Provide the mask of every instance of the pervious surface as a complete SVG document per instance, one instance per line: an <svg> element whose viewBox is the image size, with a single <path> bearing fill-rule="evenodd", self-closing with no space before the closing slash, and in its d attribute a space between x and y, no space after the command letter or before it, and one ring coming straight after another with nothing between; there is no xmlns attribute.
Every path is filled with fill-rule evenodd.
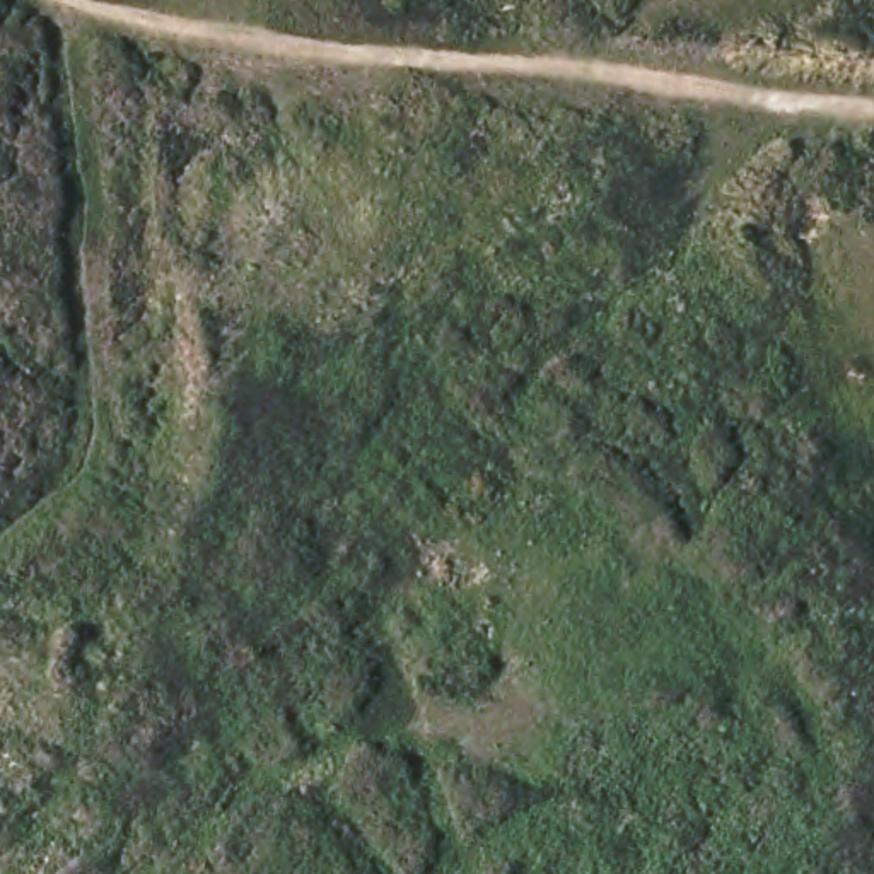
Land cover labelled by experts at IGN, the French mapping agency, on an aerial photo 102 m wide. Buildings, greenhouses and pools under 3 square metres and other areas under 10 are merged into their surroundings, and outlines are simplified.
<svg viewBox="0 0 874 874"><path fill-rule="evenodd" d="M130 34L140 31L215 44L283 55L290 61L587 79L656 96L826 116L874 116L874 102L867 96L772 92L703 75L659 72L597 58L341 44L277 34L246 24L188 20L106 0L41 0L44 3L89 17L119 24Z"/></svg>

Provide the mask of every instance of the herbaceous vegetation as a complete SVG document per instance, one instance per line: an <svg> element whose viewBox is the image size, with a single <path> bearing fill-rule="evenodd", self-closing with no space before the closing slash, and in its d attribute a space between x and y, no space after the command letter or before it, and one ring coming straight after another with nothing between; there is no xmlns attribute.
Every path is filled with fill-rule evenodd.
<svg viewBox="0 0 874 874"><path fill-rule="evenodd" d="M632 471L604 457L601 451L584 451L584 444L574 437L570 413L560 403L567 393L580 399L591 382L574 376L574 369L560 355L550 355L536 376L529 376L522 399L516 403L509 457L519 478L498 498L498 512L485 522L471 522L471 529L457 543L434 543L423 533L413 533L413 546L423 560L413 570L417 584L399 587L396 601L382 611L386 638L396 652L396 666L417 710L417 717L410 720L413 734L454 737L461 751L468 751L471 758L512 772L529 785L539 785L560 768L570 741L584 734L587 717L604 717L608 710L618 710L618 693L638 686L656 690L659 679L673 679L679 669L690 669L693 662L717 673L737 673L734 703L744 703L751 727L768 727L782 714L830 693L833 679L823 679L809 666L809 632L792 615L792 580L802 574L799 560L785 563L778 574L765 580L744 580L748 567L737 563L744 529L751 526L761 539L768 539L772 526L785 512L775 509L765 495L758 498L755 492L727 485L724 495L707 509L707 516L693 526L693 539L679 539L662 502L642 488L642 481Z"/></svg>
<svg viewBox="0 0 874 874"><path fill-rule="evenodd" d="M79 857L68 857L61 847L51 843L48 850L34 854L27 874L75 874Z"/></svg>
<svg viewBox="0 0 874 874"><path fill-rule="evenodd" d="M150 843L147 836L147 826L133 819L133 840L123 850L116 874L239 874L229 864L222 843L201 847L195 854L184 850L178 840L167 840L164 850L157 850L157 843Z"/></svg>
<svg viewBox="0 0 874 874"><path fill-rule="evenodd" d="M816 300L836 307L840 318L850 321L854 335L867 338L874 331L874 143L867 150L857 150L850 137L833 140L826 116L656 96L587 79L290 61L283 68L263 72L259 82L249 82L225 68L215 44L140 31L130 34L119 24L89 17L65 48L61 31L55 24L41 31L48 48L48 99L41 116L51 123L55 178L61 191L55 215L55 253L61 266L58 300L65 311L68 358L75 365L89 362L89 389L102 389L106 379L123 369L123 358L113 352L113 345L123 341L123 335L130 335L130 328L147 318L147 307L160 314L160 297L174 297L174 355L160 365L157 376L157 396L164 396L174 410L154 430L147 457L150 475L171 475L181 485L205 485L212 451L222 440L222 420L232 417L236 427L259 423L290 393L270 376L270 369L256 369L253 348L242 345L246 321L253 321L256 314L280 311L294 314L300 324L311 324L321 335L331 335L341 324L352 331L372 324L379 311L399 311L420 321L423 304L437 297L440 277L454 263L454 249L481 253L492 280L505 294L529 297L533 311L597 300L604 307L601 314L625 324L628 307L642 311L645 318L652 318L659 304L683 311L686 290L710 287L724 297L727 318L734 324L755 324L758 348L772 345L775 335L785 331L789 314L813 314ZM232 195L266 167L287 174L290 201L283 205L283 222L273 225L266 249L259 253L259 263L246 263L232 256L236 236L229 225L229 208ZM830 205L830 229L826 236L806 242L813 198L823 198Z"/></svg>
<svg viewBox="0 0 874 874"><path fill-rule="evenodd" d="M72 635L65 628L51 632L48 662L34 659L31 652L14 652L7 638L0 642L0 724L20 727L34 737L48 737L55 744L61 741L61 724L55 710L58 700L72 690L65 649Z"/></svg>
<svg viewBox="0 0 874 874"><path fill-rule="evenodd" d="M249 0L106 0L188 20L246 24Z"/></svg>

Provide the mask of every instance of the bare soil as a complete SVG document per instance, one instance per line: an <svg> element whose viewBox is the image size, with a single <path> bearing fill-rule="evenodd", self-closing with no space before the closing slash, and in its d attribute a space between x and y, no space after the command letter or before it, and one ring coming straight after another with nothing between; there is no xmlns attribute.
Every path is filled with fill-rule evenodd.
<svg viewBox="0 0 874 874"><path fill-rule="evenodd" d="M263 72L283 68L290 61L283 55L215 44L225 68L249 82L259 82Z"/></svg>
<svg viewBox="0 0 874 874"><path fill-rule="evenodd" d="M61 31L65 48L89 17L44 3L55 24Z"/></svg>
<svg viewBox="0 0 874 874"><path fill-rule="evenodd" d="M867 150L874 143L874 116L826 116L833 140L850 137L857 150Z"/></svg>
<svg viewBox="0 0 874 874"><path fill-rule="evenodd" d="M232 195L229 208L229 225L236 236L232 256L246 263L259 263L259 253L266 249L273 225L283 222L283 205L290 201L287 174L266 167Z"/></svg>
<svg viewBox="0 0 874 874"><path fill-rule="evenodd" d="M830 229L830 205L823 198L813 198L806 242L826 236Z"/></svg>

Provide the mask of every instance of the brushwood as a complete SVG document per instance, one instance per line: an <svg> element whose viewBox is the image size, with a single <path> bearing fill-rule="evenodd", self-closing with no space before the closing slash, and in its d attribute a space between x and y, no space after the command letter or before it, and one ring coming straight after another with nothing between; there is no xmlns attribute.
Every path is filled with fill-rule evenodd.
<svg viewBox="0 0 874 874"><path fill-rule="evenodd" d="M772 92L867 96L874 102L874 0L249 0L246 24L277 34L341 44L597 58L659 72L703 75Z"/></svg>
<svg viewBox="0 0 874 874"><path fill-rule="evenodd" d="M157 843L157 850L164 850L167 840L178 840L184 850L195 854L201 847L222 843L229 864L239 874L874 874L874 331L867 338L854 335L850 321L840 318L836 307L816 300L813 314L789 314L785 331L775 335L772 345L758 348L755 324L734 324L727 318L724 297L710 287L686 290L683 311L659 304L652 318L645 318L642 311L628 307L625 324L601 314L604 307L597 300L533 311L529 297L505 294L492 280L481 253L454 249L454 263L440 277L437 297L423 304L420 321L399 311L379 311L372 324L352 331L341 324L331 335L321 335L311 324L300 324L294 314L280 311L256 314L253 321L246 321L242 345L253 348L256 369L270 369L270 376L290 393L259 423L236 427L232 417L222 420L222 440L212 451L205 485L181 485L171 475L150 475L147 457L154 430L174 410L164 396L157 396L157 376L160 365L174 355L174 297L160 297L160 314L147 307L147 318L130 328L130 335L123 335L123 341L113 345L113 352L123 358L123 369L106 379L102 389L89 389L89 362L75 365L68 358L65 311L58 300L61 266L55 253L55 215L61 191L55 178L51 123L41 116L48 99L48 48L41 31L55 24L44 3L41 0L0 0L0 642L7 638L14 652L31 652L34 659L48 662L51 632L65 628L72 635L65 649L72 690L58 700L55 710L61 724L61 741L55 744L48 737L34 737L20 727L0 724L0 874L27 874L34 854L48 850L51 843L61 847L68 857L79 857L75 874L116 874L123 850L133 840L133 819L147 826L147 836L150 843ZM765 580L778 574L785 563L799 560L802 574L792 580L792 615L809 632L809 666L823 679L833 679L830 693L782 714L768 727L751 727L744 703L734 703L737 673L717 673L693 662L690 669L679 669L673 679L659 679L656 690L638 686L618 693L618 710L608 710L604 717L587 717L584 734L570 741L560 768L539 785L529 785L512 772L471 758L468 751L461 751L454 737L413 734L410 720L417 717L417 710L396 666L396 652L386 638L382 611L396 601L399 587L417 584L413 570L423 560L413 546L413 533L423 533L434 543L457 543L471 529L471 522L485 522L498 512L498 498L519 478L509 457L516 403L522 399L529 376L536 376L550 355L560 355L574 369L574 376L591 382L580 399L567 393L560 403L570 413L574 437L584 444L584 451L601 451L604 457L632 471L642 481L642 488L662 502L679 539L693 539L693 526L707 516L707 509L724 495L727 485L755 492L758 498L765 495L775 509L785 512L772 526L768 539L761 539L751 526L744 529L737 563L748 567L744 580Z"/></svg>

